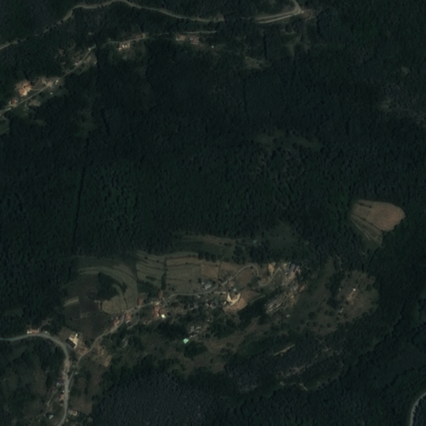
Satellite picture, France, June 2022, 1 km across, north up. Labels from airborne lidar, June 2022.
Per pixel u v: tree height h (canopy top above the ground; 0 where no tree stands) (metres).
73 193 16
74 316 0
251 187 14
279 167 21
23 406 7
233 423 26
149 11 15
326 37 27
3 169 27
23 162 25
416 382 17
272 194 17
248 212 14
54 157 23
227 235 19
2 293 17
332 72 19
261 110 26
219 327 7
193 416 20
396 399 17
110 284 9
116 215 12
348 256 22
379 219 0
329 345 10
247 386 14
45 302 13
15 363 10
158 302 0
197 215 18
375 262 22
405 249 24
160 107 15
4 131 0
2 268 20
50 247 16
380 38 17
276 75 17
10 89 14
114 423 16
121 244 14
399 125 21
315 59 12
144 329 13
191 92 19
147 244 14
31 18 20
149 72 14
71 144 24
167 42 10
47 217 23
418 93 21
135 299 0
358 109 21
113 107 13
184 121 32
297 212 22
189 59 23
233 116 25
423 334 19
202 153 21
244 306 0
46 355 12
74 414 0
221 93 12
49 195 21
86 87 14
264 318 10
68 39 9
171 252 6
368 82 12
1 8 16
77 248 14
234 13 8
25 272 13
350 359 9
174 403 16
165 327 12
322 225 20
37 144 15
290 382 14
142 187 18
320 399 26
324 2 7
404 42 12
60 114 17
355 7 14
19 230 14
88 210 15
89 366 0
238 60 13
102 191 12
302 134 16
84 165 6
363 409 13
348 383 28
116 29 13
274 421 25
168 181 14
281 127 26
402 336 25
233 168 22
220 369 0
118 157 26
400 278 21
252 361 18
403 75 14
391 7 19
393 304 16
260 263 11
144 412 15
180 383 21
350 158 29
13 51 18
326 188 22
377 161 20
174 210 16
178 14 11
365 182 16
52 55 23
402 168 30
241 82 13
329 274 0
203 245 0
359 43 13
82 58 8
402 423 16
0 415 14
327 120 27
